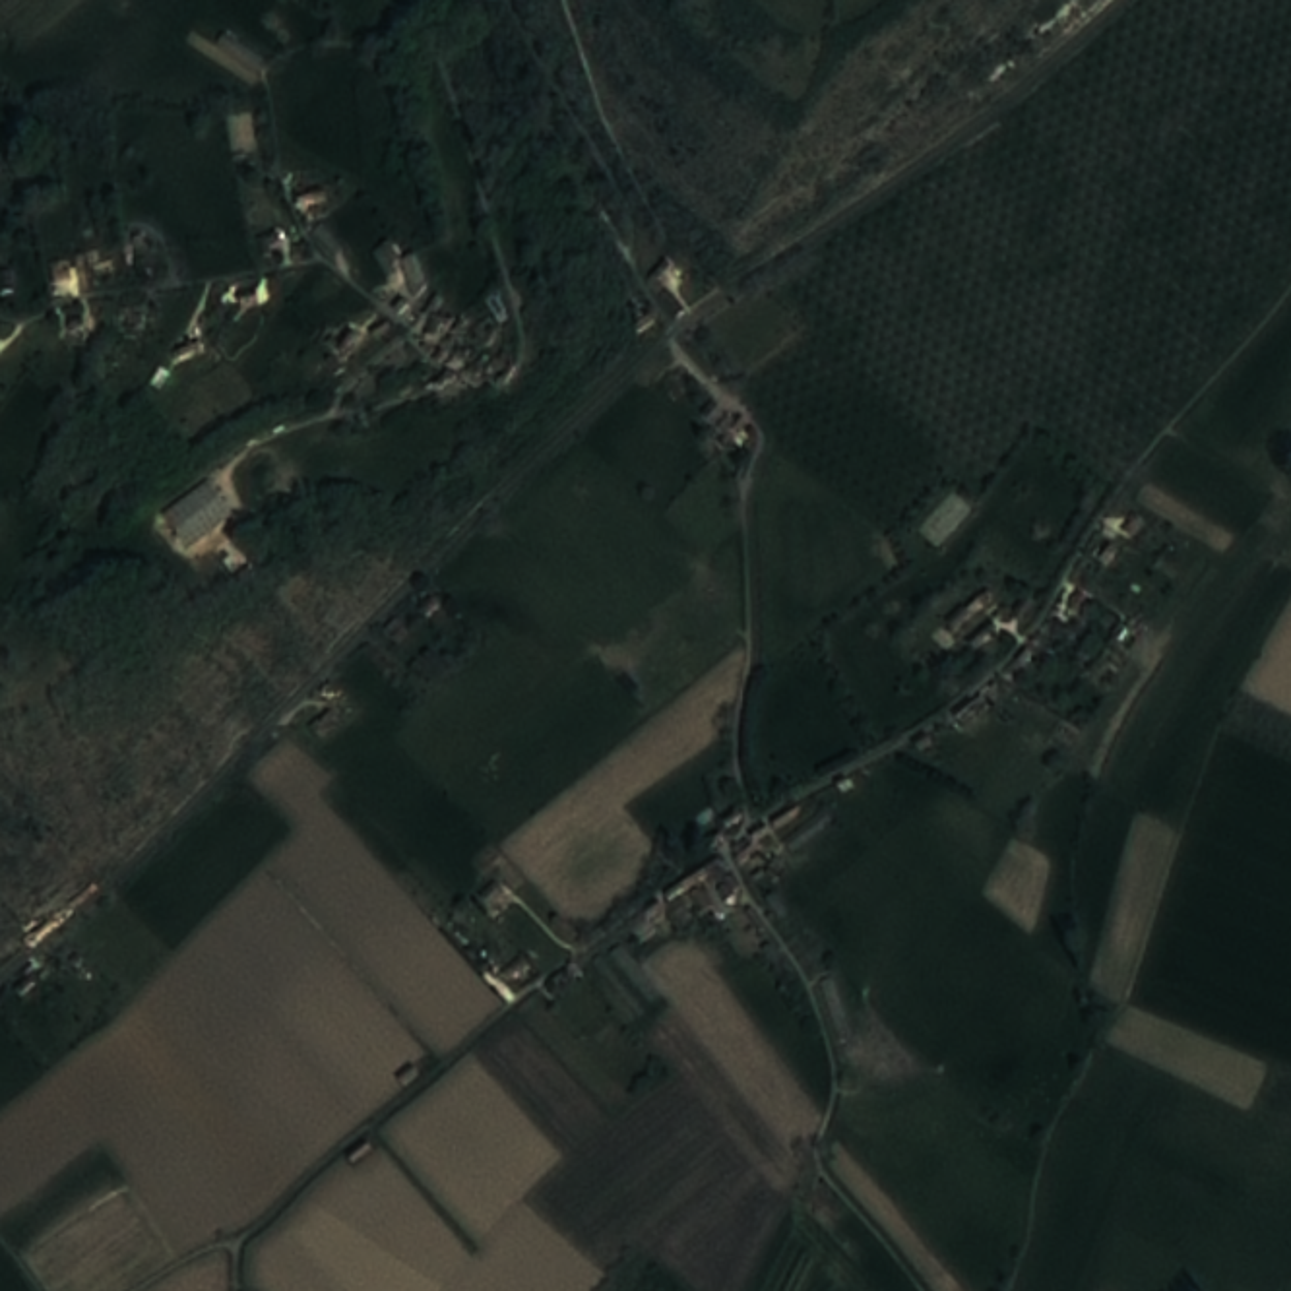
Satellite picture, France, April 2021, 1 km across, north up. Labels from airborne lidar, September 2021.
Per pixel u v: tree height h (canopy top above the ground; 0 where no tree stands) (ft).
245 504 0
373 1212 0
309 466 0
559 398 32
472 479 71
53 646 35
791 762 0
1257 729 36
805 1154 43
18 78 0
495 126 67
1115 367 42
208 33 0
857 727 34
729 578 0
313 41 29
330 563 65
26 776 25
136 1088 0
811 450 32
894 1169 0
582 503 0
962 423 31
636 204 81
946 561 0
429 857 0
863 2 0
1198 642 0
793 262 47
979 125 0
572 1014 0
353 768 0
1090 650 49
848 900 0
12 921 29
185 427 22
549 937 0
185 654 55
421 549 82
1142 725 0
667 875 28
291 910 0
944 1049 0
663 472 0
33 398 0
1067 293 24
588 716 0
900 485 27
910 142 44
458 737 0
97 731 34
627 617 0
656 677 0
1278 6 37
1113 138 28
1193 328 31
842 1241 0
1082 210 29
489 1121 0
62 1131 0
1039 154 24
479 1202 0
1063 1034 0
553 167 92
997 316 24
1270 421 0
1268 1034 0
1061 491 0
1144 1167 0
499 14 74
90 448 50
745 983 0
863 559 0
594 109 38
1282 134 34
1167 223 23
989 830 0
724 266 45
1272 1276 0
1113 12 0
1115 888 0
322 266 0
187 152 0
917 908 0
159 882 0
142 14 0
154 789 28
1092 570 35
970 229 24
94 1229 0
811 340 22
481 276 0
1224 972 0
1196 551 0
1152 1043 0
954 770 0
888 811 0
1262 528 0
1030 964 0
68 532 19
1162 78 33
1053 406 38
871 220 30
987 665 51
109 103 39
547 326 22
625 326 38
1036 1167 0
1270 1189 0
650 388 0
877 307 40
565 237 61
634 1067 0
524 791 0
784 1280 0
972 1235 0
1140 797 0
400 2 0
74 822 21
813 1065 0
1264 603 0
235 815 0
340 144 0
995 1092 0
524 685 0
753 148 0
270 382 0
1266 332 0
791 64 0
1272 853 0
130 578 83
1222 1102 0
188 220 0
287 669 46
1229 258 28
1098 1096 0
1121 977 0
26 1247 0
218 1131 0
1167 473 0
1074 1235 0
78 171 0
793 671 0
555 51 35
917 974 0
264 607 53
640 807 0
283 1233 0
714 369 26
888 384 37
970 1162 0
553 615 0
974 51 23
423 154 61
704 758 0
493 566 0
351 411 62
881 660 0
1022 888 0
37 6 0
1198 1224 0
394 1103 0
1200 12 41
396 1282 0
